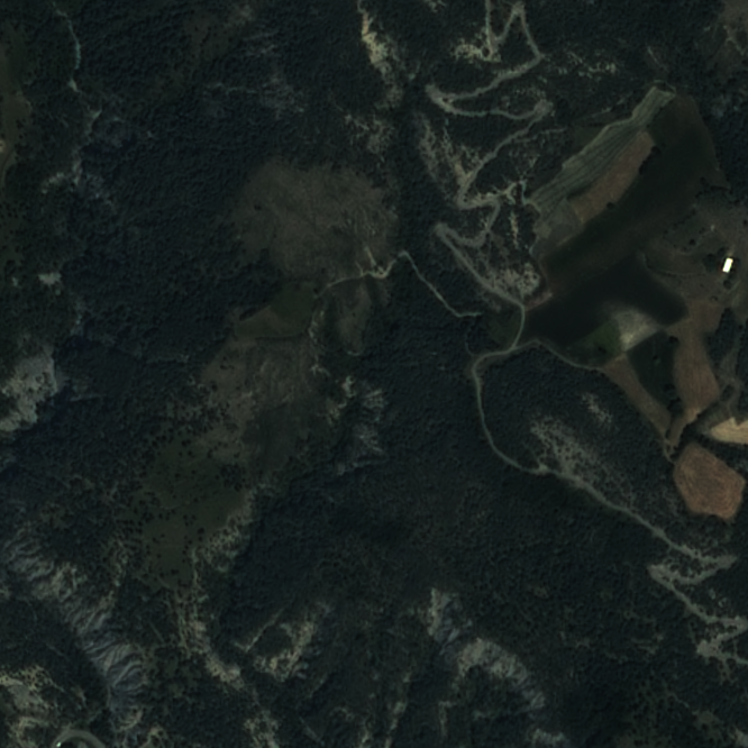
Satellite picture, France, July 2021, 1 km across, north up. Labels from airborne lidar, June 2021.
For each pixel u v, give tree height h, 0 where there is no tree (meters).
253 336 0
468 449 11
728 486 0
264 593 9
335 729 6
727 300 0
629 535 10
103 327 7
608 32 8
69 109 11
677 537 7
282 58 7
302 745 17
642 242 0
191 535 0
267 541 16
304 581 11
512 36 6
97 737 9
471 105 7
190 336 10
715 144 8
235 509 0
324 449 11
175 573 5
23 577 8
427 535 8
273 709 10
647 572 7
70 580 8
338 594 8
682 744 7
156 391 6
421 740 10
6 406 8
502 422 6
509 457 6
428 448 6
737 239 0
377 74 7
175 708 8
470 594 7
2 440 6
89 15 9
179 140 10
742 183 13
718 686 8
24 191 12
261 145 7
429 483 9
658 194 0
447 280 8
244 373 0
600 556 6
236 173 9
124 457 6
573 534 9
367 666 12
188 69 8
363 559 12
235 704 6
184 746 8
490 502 6
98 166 13
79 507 7
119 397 13
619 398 8
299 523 6
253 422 0
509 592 7
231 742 7
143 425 11
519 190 8
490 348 9
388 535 9
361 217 0
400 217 7
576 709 11
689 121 0
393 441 10
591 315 0
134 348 17
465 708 8
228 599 8
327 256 0
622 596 7
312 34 9
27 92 9
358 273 0
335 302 0
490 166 8
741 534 9
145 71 8
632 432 6
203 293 13
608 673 12
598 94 6
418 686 8
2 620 11
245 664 11
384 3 8
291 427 0
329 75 13
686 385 0
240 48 9
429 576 8
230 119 6
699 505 0
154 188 10
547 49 7
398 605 9
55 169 9
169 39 9
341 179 0
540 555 7
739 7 0
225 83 8
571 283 0
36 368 0
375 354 11
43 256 10
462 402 11
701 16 12
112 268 17
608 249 0
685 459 0
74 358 9
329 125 7
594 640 9
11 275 10
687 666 7
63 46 11
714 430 0
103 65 11
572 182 0
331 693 10
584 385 7
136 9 8
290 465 8
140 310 14
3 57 0
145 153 10
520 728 9
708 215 0
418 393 9
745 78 7
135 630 9
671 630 7
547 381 10
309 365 0
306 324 0
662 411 0
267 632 9
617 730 10
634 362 0
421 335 6
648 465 9
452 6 5
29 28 10
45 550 10
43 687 7
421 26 7
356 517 8
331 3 7
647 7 7
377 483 13
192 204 7
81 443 13
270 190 0
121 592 6
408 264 8
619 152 0
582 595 9
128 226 14
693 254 0
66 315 15
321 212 0
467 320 9
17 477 14
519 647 11
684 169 0
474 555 10
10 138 0
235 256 9
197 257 8
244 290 11
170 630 8
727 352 6
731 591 7
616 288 0
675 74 8
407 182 11
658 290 0
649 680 7
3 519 11
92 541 8
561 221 0
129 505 6
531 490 13
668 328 0
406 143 5
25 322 8
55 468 11
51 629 17
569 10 8
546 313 0
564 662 9
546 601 9
